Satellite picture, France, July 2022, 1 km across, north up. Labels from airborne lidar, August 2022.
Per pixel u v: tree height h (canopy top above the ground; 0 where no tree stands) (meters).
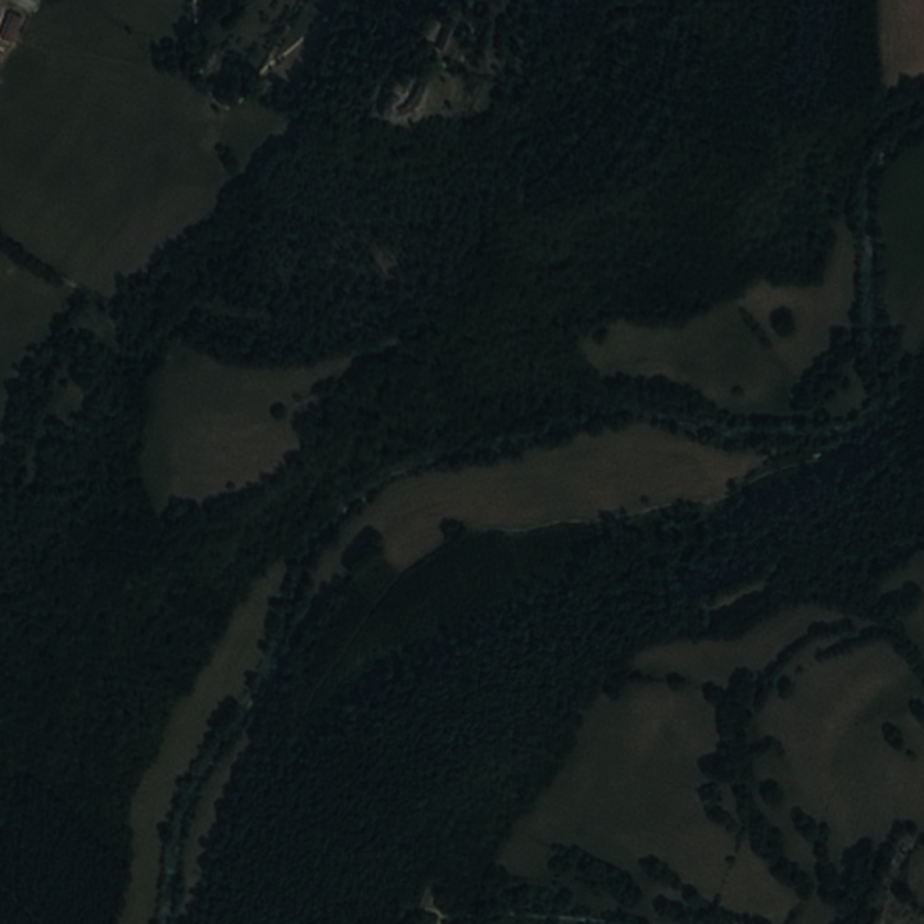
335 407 25
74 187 0
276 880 17
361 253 22
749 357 0
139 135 0
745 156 16
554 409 13
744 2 25
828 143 19
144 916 0
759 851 11
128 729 23
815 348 0
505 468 0
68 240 0
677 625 22
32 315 0
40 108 0
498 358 18
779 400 0
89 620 18
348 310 23
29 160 0
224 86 26
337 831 18
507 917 8
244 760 21
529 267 14
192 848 0
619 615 23
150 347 15
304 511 12
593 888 9
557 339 22
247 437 0
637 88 10
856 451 14
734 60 13
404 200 24
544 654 21
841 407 0
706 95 14
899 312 0
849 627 18
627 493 0
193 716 0
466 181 23
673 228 16
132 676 18
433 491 0
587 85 24
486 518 0
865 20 15
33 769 17
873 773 0
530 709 13
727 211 15
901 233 0
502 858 0
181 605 20
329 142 24
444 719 16
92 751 20
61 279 10
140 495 16
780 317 21
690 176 13
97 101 0
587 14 20
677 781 0
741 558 19
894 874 0
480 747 13
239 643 0
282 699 22
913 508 24
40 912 20
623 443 0
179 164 0
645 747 0
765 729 0
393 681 25
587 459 0
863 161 16
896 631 16
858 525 19
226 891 20
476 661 19
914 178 0
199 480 0
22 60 0
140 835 0
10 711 18
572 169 17
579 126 14
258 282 9
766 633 0
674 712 0
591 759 0
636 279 20
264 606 0
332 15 31
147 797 0
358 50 27
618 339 0
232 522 12
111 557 19
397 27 6
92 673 23
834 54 23
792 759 0
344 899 17
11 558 19
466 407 24
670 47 14
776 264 21
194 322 27
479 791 11
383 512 0
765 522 21
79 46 0
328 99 27
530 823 0
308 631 23
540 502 0
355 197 17
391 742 20
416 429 20
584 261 18
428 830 13
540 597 20
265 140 0
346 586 24
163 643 19
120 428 21
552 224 15
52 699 19
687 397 11
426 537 0
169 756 0
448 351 23
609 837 0
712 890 0
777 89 19
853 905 15
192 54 25
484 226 19
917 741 0
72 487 18
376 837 17
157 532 13
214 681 0
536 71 25
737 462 0
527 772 21
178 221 0
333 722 6
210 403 0
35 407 20
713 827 0
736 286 22
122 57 0
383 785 18
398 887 19
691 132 15
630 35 25
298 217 21
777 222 13
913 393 8
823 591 16
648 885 0
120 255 0
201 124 0
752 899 0
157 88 0
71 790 18
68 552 16
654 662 0
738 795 14
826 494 22
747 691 17
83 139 0
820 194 20
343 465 7
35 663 23
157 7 0
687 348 0
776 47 19
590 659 17
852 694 0
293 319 25
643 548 24
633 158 16
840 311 0
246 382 0
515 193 15
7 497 21
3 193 0
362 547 25
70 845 20
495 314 15
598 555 24
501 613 9
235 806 20
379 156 19
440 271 22
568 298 17
